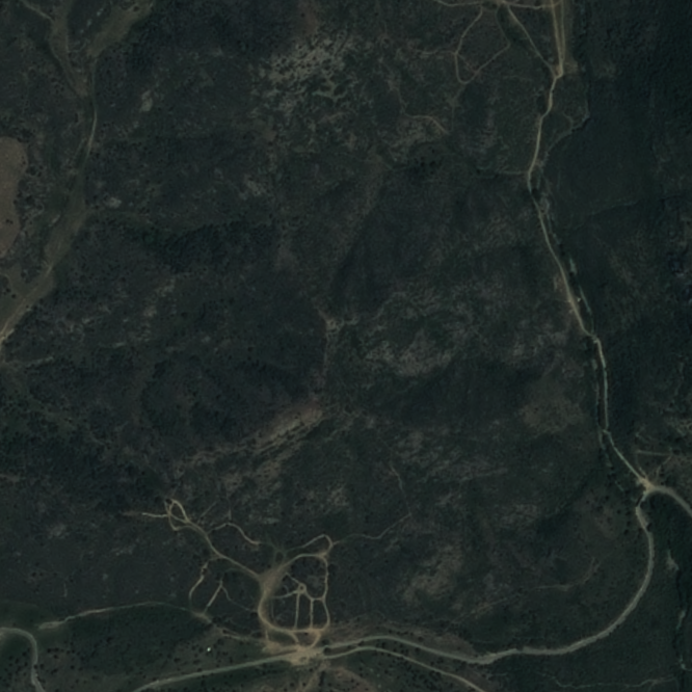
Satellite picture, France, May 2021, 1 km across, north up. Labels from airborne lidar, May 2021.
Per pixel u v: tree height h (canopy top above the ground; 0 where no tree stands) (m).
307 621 0
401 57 0
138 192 6
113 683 0
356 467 0
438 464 0
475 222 0
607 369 7
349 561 0
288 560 0
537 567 0
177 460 0
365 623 0
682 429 0
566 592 0
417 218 0
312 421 0
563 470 6
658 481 0
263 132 0
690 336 6
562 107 0
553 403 0
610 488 6
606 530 0
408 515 0
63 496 0
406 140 0
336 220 0
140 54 5
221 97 0
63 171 0
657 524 6
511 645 9
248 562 0
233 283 0
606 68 0
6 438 6
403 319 6
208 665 0
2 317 0
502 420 0
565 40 0
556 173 0
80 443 5
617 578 0
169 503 7
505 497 0
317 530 0
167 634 0
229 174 0
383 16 0
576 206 0
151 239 11
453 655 0
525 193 7
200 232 5
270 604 0
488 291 0
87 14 0
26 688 0
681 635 15
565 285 0
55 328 0
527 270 6
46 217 0
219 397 7
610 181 0
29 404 6
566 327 0
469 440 0
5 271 0
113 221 6
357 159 0
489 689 0
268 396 0
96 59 0
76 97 0
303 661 0
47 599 0
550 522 6
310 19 0
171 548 0
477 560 0
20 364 0
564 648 0
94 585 0
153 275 0
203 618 0
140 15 0
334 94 0
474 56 0
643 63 5
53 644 0
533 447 6
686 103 7
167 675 0
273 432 0
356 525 0
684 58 6
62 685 0
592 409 6
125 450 0
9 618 0
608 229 0
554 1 0
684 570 10
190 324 0
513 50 0
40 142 0
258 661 0
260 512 0
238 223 6
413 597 0
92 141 0
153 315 0
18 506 7
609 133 0
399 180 0
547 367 0
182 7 11
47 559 0
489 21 0
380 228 0
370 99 0
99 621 0
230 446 0
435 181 0
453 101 0
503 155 0
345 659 0
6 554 0
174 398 0
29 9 0
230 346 0
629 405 7
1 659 0
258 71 0
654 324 5
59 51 0
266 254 0
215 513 0
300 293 0
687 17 6
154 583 0
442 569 0
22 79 0
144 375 0
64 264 0
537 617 7
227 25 6
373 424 0
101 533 0
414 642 0
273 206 0
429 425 0
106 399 0
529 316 0
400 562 0
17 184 0
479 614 0
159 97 0
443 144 0
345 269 8
